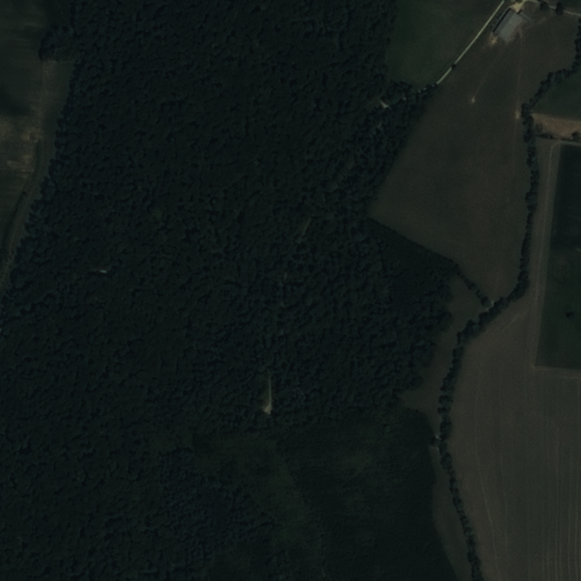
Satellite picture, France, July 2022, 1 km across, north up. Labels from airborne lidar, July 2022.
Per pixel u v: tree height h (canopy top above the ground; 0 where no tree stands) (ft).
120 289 95
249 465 17
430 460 31
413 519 21
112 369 97
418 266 37
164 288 92
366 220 58
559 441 0
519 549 0
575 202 0
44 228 90
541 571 0
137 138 89
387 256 74
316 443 23
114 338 94
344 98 78
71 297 97
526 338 0
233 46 97
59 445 102
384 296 81
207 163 79
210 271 90
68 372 95
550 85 53
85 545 95
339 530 24
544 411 0
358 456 0
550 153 0
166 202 97
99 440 99
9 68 0
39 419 95
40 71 0
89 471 89
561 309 0
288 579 58
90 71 99
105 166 93
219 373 99
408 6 0
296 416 77
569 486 0
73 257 94
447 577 21
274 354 78
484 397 0
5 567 89
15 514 94
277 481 0
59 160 27
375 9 81
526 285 51
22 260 84
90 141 95
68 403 91
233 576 25
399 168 0
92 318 97
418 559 25
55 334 87
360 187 97
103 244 92
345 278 59
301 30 109
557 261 0
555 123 0
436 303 78
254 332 71
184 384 79
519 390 0
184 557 60
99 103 92
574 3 0
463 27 0
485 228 0
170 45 95
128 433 95
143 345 98
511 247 0
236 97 97
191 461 66
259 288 84
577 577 0
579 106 0
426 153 0
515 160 0
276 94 97
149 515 72
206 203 86
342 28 94
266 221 65
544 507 0
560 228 0
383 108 49
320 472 27
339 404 89
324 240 22
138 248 87
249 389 65
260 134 99
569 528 0
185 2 99
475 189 0
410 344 68
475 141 0
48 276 99
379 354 70
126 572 93
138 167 90
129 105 87
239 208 97
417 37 0
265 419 94
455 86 0
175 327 82
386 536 20
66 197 100
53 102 0
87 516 96
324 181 32
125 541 85
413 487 24
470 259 0
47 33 0
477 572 41
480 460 0
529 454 0
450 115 0
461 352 38
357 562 21
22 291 89
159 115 81
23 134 0
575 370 0
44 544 88
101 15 92
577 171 0
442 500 0
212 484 83
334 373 75
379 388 72
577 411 0
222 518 81
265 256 73
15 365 92
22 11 0
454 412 0
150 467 77
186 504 86
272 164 103
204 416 91
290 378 68
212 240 101
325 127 81
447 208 0
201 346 92
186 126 95
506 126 0
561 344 0
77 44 89
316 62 92
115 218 92
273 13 87
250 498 69
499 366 0
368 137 51
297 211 75
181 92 96
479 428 0
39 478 93
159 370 93
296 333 93
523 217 0
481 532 0
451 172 0
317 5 83
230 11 91
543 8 31
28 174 0
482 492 0
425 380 59
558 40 0
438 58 0
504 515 0
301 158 89
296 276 90
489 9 0
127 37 91
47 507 86
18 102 0
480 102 0
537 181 32
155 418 79
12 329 90
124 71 92
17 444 104
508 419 0
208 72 87
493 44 0
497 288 0
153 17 86
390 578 20
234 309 82
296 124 85
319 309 85
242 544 30
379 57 99
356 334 36
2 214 0
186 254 98
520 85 0
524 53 0
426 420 21
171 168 92
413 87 35
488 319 60
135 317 95
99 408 98
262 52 98
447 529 0
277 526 85
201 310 75
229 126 91
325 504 19
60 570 95
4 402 94
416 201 0
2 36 0
